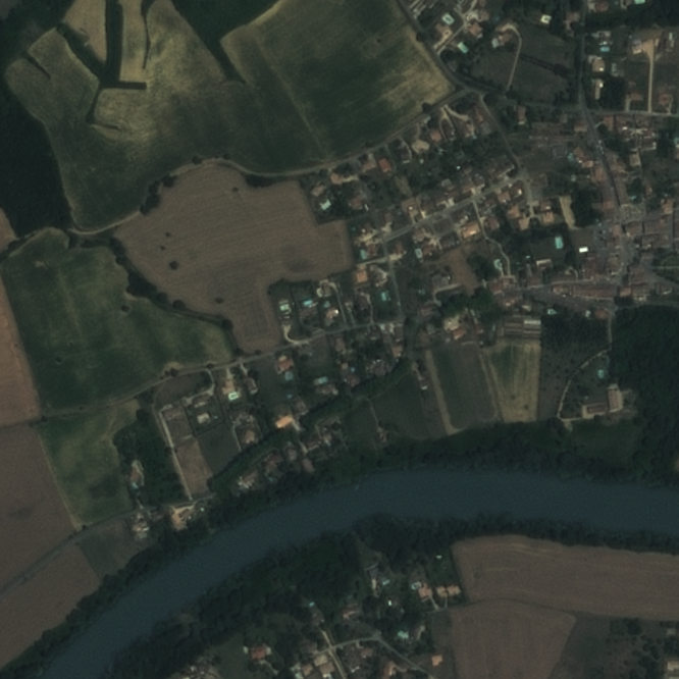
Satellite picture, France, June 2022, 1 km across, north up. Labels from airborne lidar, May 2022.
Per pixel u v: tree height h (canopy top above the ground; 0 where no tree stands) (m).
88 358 0
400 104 0
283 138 0
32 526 0
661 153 10
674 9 23
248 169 0
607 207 0
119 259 9
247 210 0
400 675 14
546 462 29
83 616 15
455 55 10
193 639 18
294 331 0
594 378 0
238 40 0
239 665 0
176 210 0
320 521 0
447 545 23
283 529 0
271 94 0
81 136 0
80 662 0
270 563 17
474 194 0
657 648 11
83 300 0
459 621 0
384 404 0
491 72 0
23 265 0
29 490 0
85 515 0
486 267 11
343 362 7
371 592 10
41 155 17
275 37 0
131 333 0
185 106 0
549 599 0
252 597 17
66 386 0
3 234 0
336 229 0
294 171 0
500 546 0
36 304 0
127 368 0
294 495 17
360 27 0
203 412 0
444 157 6
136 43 0
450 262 0
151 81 0
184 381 0
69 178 0
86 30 0
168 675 7
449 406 0
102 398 0
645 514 0
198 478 0
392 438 10
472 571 0
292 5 0
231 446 0
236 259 0
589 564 0
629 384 13
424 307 0
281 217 0
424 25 10
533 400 0
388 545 24
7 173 15
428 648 8
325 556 0
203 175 0
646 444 19
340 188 8
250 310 0
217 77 0
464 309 28
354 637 7
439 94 0
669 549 12
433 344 0
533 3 15
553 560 0
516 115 9
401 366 19
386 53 0
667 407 21
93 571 0
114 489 0
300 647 8
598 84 0
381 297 0
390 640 7
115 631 0
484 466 16
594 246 0
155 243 0
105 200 0
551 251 0
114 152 0
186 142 0
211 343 0
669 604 0
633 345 22
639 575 0
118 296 0
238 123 0
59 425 0
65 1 14
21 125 21
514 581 0
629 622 6
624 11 0
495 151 6
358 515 0
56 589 0
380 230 0
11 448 0
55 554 0
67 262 0
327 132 0
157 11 0
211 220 0
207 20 6
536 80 0
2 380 0
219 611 17
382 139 0
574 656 0
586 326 7
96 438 0
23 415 0
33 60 8
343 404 25
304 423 23
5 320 0
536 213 8
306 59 0
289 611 12
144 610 0
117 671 16
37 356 0
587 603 0
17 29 13
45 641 12
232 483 23
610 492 0
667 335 15
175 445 0
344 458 10
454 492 0
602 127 8
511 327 0
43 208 16
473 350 0
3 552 0
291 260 0
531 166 0
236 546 0
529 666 0
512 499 0
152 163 0
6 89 15
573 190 7
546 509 0
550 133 0
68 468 0
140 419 10
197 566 0
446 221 0
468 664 0
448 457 18
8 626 0
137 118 0
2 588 0
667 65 0
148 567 22
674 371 8
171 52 0
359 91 0
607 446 0
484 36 8
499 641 0
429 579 8
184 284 0
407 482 0
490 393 0
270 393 0
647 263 0
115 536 0
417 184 5
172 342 0
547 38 0
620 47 0
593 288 0
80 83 0
